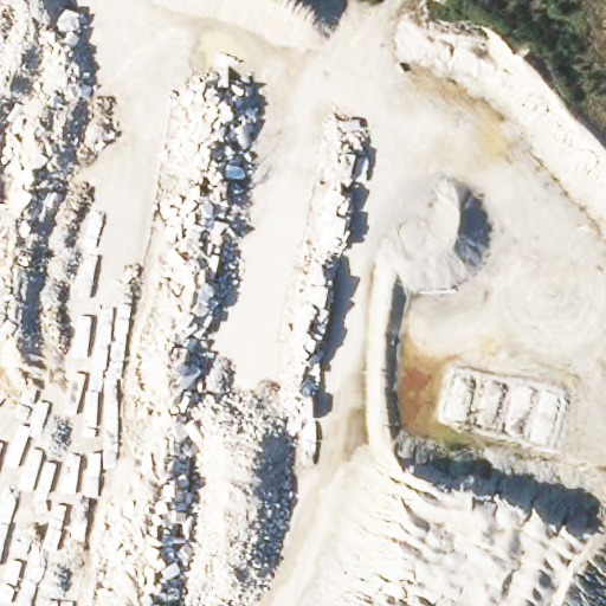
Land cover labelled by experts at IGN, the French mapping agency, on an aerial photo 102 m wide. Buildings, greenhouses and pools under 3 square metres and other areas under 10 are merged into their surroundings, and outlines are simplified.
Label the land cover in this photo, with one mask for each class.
<instances>
[{"label":"pervious surface","instance_id":"1","mask_svg":"<svg viewBox=\"0 0 606 606\"><path fill-rule=\"evenodd\" d=\"M528 47H518L516 52H511L509 45L485 24H471L462 19L431 21L426 0H0V606H606V140L599 142L580 121L573 118V114L556 97V92L526 62Z\"/></svg>","mask_w":606,"mask_h":606},{"label":"herbaceous vegetation","instance_id":"2","mask_svg":"<svg viewBox=\"0 0 606 606\"><path fill-rule=\"evenodd\" d=\"M431 21L462 19L471 24H485L509 45L511 52H516L518 47H528L526 62L556 92V97L573 114V118L580 121L599 142L606 140V0H426Z\"/></svg>","mask_w":606,"mask_h":606}]
</instances>
